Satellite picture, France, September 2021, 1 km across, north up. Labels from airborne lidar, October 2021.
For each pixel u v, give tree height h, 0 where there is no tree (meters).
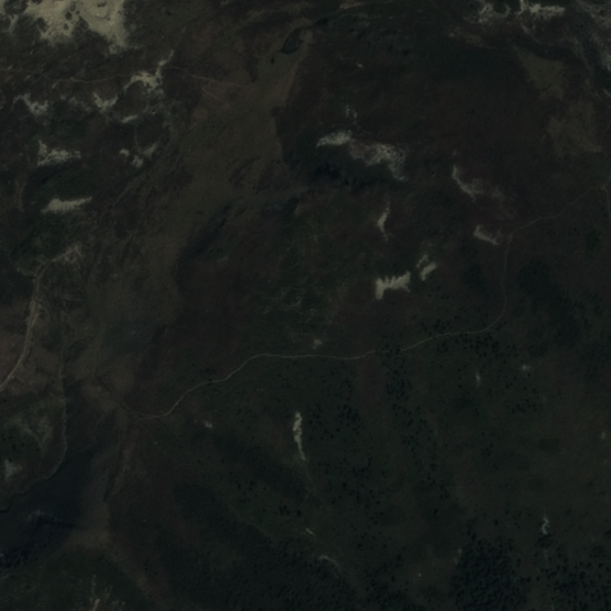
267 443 0
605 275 0
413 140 0
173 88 0
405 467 0
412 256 0
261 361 0
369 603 10
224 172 0
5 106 0
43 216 0
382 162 0
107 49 0
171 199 0
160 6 0
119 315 0
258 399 0
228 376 0
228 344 0
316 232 0
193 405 0
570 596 9
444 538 0
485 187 0
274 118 0
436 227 0
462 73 0
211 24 0
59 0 0
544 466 0
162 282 0
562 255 0
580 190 0
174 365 0
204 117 0
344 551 0
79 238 0
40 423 0
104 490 0
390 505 0
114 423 0
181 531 0
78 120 0
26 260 0
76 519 0
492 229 0
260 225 0
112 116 0
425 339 0
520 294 0
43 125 0
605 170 0
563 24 0
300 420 0
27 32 0
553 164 0
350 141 0
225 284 0
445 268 0
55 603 0
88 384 0
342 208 0
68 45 0
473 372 0
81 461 0
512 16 0
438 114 0
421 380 0
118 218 0
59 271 0
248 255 0
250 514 0
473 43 0
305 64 0
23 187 0
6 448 0
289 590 7
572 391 0
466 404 6
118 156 0
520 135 0
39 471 0
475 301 0
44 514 0
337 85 0
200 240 0
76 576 0
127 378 0
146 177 0
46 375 0
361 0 0
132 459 0
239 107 0
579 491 0
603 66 0
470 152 0
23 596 0
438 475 0
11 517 0
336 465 0
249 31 0
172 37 0
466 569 14
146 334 0
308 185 0
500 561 14
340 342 0
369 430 0
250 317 0
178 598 0
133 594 0
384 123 0
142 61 0
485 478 0
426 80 0
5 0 0
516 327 0
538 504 0
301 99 0
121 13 0
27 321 0
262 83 0
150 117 0
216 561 0
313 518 0
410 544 0
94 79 0
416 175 0
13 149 0
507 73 0
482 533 0
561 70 0
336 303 0
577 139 0
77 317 0
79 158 0
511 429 0
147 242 0
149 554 0
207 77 0
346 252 0
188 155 0
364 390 0
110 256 0
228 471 0
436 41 0
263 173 0
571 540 0
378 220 0
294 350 0
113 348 0
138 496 0
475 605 12
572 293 0
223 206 0
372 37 0
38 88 0
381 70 0
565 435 0
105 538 0
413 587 0
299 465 0
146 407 0
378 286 0
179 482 0
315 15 0
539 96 0
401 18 0
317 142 0
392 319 0
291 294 0
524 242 0
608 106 0
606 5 0
